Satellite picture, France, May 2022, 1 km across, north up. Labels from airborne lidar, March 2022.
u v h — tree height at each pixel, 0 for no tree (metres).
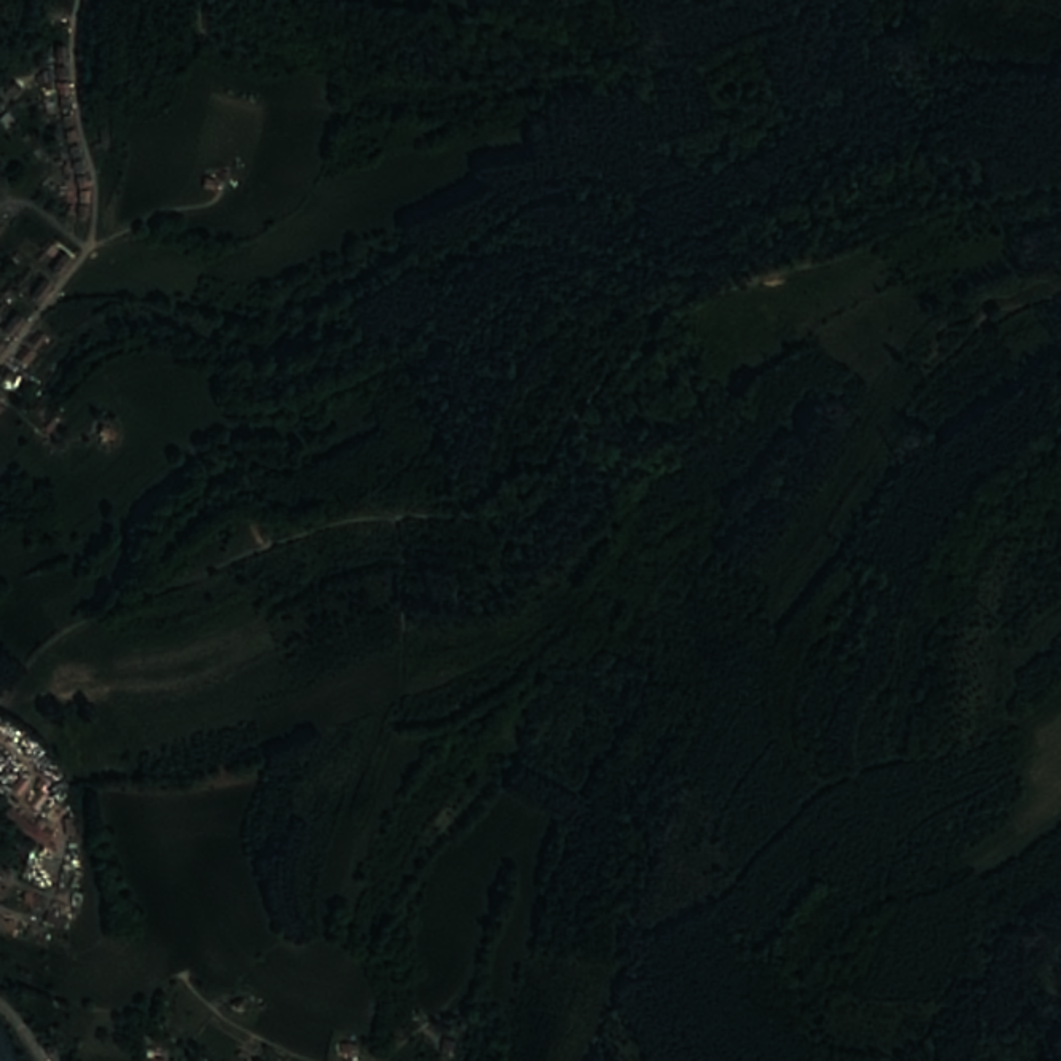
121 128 0
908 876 11
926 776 7
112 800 0
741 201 27
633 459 31
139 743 0
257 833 9
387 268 29
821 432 36
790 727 12
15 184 12
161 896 0
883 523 17
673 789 18
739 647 16
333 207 0
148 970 0
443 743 17
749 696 10
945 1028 15
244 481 21
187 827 0
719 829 9
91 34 12
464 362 25
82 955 0
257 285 6
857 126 33
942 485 18
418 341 28
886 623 19
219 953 0
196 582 0
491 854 0
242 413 21
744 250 29
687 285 23
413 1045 0
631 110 33
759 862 11
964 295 28
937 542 20
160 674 0
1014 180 32
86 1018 0
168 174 0
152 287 0
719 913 23
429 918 0
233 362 27
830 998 19
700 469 14
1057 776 0
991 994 30
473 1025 17
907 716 6
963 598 7
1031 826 0
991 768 9
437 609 39
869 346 0
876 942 9
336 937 17
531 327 34
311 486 0
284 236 0
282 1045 0
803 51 36
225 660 0
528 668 12
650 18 27
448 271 21
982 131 25
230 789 0
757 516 31
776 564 0
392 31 29
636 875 25
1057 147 27
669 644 0
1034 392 22
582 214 35
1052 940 32
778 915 9
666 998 20
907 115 28
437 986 0
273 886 27
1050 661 11
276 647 0
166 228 17
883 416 0
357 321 29
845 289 0
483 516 19
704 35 27
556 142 31
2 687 23
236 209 0
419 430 0
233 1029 0
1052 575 12
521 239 24
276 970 0
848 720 20
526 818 0
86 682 0
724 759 8
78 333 0
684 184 32
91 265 0
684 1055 24
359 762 0
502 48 28
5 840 6
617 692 15
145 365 0
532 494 22
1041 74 24
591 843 21
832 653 10
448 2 0
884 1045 0
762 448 14
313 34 24
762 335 0
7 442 0
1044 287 0
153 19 6
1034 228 32
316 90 0
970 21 8
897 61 32
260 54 18
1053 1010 26
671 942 18
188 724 0
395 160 0
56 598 0
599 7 25
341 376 25
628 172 31
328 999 0
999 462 19
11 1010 0
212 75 0
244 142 0
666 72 27
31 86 0
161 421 0
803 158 22
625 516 20
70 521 0
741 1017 20
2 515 14
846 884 10
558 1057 0
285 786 9
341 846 0
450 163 0
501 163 36
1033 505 14
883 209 16
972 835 11
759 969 16
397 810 6
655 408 25
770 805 8
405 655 0
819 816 8
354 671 0
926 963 11
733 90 15
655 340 15
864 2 33
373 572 11
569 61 21
